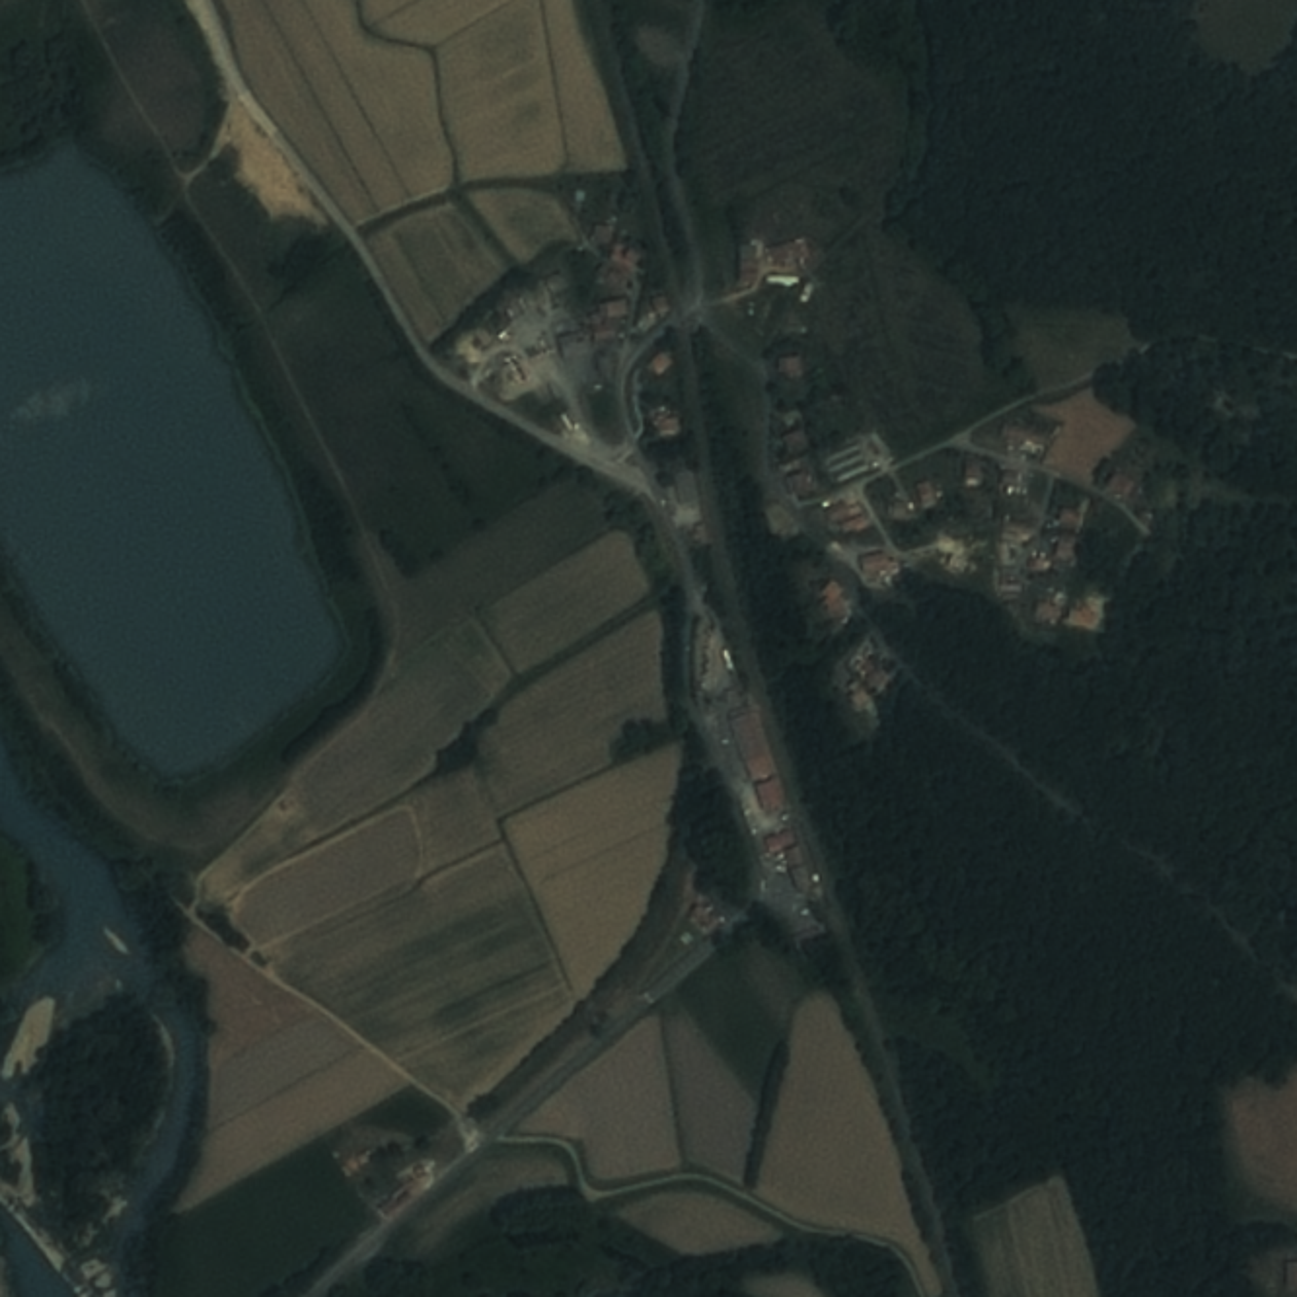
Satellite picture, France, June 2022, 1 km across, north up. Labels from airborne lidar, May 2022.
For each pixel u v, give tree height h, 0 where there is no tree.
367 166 0
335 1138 0
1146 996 24
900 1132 8
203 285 8
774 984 0
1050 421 0
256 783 0
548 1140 0
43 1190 8
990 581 0
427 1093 0
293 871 0
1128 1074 25
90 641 0
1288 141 17
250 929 0
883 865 18
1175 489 0
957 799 21
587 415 0
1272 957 20
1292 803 26
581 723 0
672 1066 0
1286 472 24
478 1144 0
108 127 0
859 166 0
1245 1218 0
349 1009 0
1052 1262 0
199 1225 0
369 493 0
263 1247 0
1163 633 24
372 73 0
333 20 0
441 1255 0
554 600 0
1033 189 17
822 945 17
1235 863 25
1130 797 22
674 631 12
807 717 22
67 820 27
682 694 18
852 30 25
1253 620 8
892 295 0
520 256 0
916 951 22
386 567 0
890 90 0
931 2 25
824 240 0
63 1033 10
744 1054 0
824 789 18
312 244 7
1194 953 21
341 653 0
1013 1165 19
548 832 0
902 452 0
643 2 0
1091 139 24
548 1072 0
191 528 0
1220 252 20
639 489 0
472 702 0
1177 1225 27
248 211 0
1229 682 25
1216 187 19
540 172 0
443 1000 0
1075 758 22
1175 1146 23
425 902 0
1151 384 21
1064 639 0
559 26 0
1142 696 27
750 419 0
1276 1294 0
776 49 0
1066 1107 18
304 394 0
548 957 0
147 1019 18
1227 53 0
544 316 0
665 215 10
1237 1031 21
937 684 15
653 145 19
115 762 0
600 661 0
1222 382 20
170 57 0
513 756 0
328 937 0
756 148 0
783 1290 0
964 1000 19
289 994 0
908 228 19
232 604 0
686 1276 11
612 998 0
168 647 0
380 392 0
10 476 0
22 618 7
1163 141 20
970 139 22
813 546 9
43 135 10
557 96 0
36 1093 7
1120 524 0
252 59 0
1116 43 19
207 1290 0
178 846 0
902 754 12
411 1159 0
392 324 8
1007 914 21
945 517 7
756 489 8
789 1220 0
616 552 0
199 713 0
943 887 23
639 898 0
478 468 0
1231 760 26
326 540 8
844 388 8
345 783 0
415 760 0
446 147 0
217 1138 0
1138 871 18
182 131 0
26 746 7
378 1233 0
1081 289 21
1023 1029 13
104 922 0
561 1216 30
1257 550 13
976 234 25
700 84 7
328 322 0
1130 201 21
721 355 0
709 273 0
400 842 0
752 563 15
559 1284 0
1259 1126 0
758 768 0
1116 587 12
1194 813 23
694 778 11
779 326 0
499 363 0
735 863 29
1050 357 0
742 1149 0
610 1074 0
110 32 0
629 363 0
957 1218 9
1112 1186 24
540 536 0
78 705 6
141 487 0
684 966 0
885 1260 9
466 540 0
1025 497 0
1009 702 18
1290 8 0
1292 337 22
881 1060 0
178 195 0
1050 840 20
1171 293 23
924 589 18
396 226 0
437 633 0
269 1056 0
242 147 0
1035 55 22
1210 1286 20
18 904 0
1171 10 21
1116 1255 23
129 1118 11
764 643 10
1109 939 24
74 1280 0
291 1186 0
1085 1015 22
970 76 22
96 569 0
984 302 20
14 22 0
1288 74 20
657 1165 0
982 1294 9
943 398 0
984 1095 7
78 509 0
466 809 0
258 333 0
